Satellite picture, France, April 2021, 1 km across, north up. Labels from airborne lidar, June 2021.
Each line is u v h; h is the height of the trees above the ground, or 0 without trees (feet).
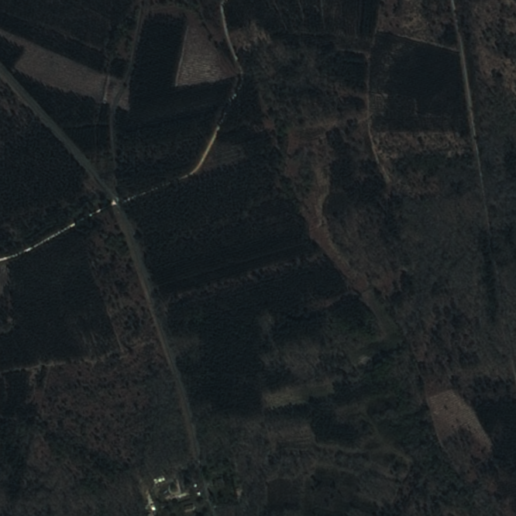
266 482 49
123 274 60
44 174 61
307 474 44
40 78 0
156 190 65
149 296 0
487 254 52
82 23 34
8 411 28
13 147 52
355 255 59
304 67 49
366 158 22
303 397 0
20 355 43
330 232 38
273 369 49
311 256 25
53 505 47
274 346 35
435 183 18
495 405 54
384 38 22
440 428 0
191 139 39
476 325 36
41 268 47
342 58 43
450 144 29
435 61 23
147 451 52
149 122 30
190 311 63
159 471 51
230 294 54
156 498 35
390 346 0
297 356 38
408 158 38
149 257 49
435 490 61
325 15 19
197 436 33
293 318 65
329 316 45
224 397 59
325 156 49
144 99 33
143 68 34
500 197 36
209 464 52
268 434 46
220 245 53
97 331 45
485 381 30
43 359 30
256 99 60
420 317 35
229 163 0
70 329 42
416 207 52
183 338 47
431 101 22
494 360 61
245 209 57
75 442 50
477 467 62
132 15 36
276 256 34
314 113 39
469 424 0
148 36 31
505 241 34
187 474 51
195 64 0
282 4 57
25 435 33
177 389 43
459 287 44
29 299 47
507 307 57
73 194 61
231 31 23
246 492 48
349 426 27
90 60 28
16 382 21
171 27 26
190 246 56
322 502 20
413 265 55
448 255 54
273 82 38
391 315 53
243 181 67
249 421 42
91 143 34
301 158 58
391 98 24
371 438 39
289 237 45
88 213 59
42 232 47
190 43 0
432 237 60
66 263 40
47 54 0
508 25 29
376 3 51
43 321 48
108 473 39
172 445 69
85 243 34
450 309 22
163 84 31
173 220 69
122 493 53
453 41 32
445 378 23
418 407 53
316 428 56
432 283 57
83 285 49
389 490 56
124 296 37
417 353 44
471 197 33
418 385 44
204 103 28
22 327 39
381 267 43
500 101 52
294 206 70
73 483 45
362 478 60
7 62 28
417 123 22
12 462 62
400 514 65
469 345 79
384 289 30
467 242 52
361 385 47
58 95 29
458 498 47
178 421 83
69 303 43
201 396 56
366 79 54
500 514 56
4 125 48
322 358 47
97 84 0
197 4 53
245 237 56
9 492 41
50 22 30
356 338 65
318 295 49
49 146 60
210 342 53
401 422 26
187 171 59
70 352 46
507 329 44
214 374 61
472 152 42
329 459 40
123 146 56
